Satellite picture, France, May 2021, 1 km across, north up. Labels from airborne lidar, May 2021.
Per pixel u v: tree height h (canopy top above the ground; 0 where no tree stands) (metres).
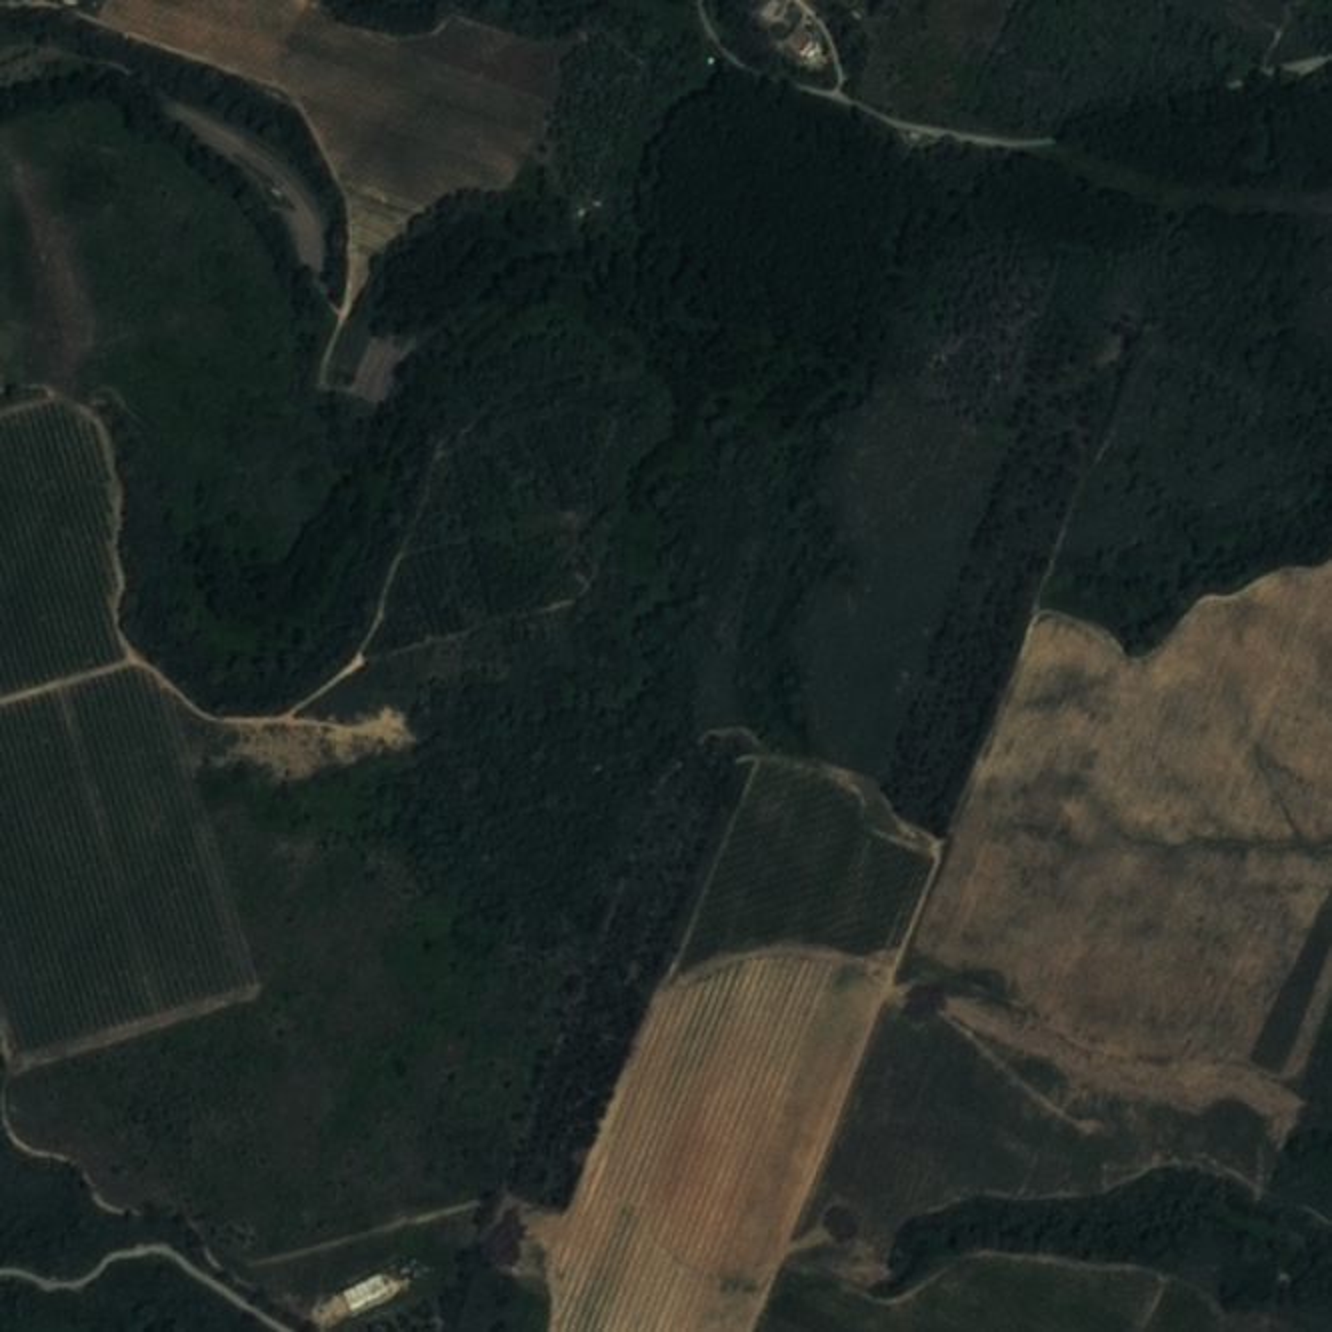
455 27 0
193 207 0
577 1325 0
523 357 8
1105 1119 0
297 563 12
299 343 7
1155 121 23
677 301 11
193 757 0
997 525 6
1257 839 0
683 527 12
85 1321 6
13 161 0
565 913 7
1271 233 15
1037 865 0
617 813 6
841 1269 0
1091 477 0
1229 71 9
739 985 0
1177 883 0
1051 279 11
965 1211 7
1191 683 0
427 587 6
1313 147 17
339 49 0
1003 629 10
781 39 6
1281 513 7
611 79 7
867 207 23
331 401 8
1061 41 6
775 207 25
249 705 7
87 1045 0
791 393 8
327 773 6
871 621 0
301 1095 0
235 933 0
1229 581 14
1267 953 0
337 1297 0
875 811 0
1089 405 10
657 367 9
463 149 0
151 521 6
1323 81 12
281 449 7
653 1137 0
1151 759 0
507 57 0
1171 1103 0
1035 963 0
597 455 5
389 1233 0
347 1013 0
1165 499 7
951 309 12
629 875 16
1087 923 0
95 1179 0
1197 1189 10
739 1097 0
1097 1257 10
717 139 24
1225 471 8
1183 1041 0
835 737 0
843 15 9
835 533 10
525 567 7
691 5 22
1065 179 22
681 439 8
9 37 12
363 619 7
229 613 16
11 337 0
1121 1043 0
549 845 6
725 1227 0
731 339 21
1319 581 0
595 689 11
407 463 13
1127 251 8
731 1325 0
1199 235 16
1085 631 0
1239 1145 0
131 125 13
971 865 0
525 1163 8
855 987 0
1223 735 0
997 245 8
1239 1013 0
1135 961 0
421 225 10
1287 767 0
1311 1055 0
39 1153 0
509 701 7
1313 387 6
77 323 0
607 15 12
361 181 0
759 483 6
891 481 0
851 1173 0
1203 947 0
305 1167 0
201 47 0
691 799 10
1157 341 0
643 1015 13
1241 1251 7
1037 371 11
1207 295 10
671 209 23
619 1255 0
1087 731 0
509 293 21
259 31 0
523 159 0
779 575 7
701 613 6
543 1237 0
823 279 25
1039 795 0
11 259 0
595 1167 0
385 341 16
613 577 10
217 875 0
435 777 7
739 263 26
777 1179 0
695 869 11
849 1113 0
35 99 20
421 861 8
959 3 0
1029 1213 6
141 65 6
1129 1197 6
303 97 0
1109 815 0
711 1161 0
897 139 10
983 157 8
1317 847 0
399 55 0
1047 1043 0
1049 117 7
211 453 0
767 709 9
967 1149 0
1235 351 12
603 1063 14
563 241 5
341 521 14
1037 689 0
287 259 13
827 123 23
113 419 7
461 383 6
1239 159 15
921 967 0
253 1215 0
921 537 0
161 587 10
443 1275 0
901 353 8
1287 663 0
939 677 14
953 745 7
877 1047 0
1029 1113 0
